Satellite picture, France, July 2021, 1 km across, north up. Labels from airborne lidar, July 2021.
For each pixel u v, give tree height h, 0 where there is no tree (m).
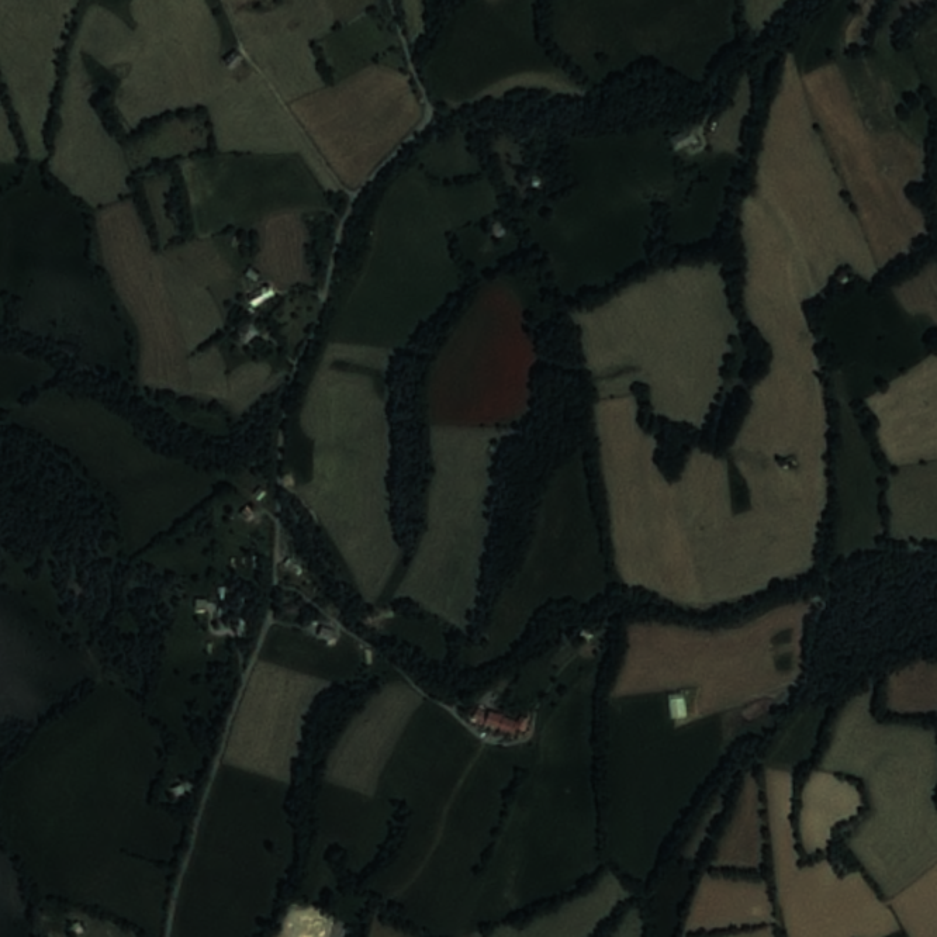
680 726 0
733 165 0
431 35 14
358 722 0
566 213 0
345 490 0
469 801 0
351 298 0
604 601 21
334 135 0
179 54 0
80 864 0
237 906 0
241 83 0
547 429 20
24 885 19
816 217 0
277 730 0
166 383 0
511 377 0
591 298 19
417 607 14
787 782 0
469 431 0
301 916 0
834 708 13
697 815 15
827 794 0
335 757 0
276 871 0
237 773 0
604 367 0
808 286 0
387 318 0
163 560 0
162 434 16
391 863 14
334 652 0
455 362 0
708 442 25
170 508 0
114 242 0
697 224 0
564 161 16
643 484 0
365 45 0
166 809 13
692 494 0
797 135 0
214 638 0
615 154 0
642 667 0
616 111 22
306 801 22
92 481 10
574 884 0
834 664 12
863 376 0
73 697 9
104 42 0
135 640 18
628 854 0
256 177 0
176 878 10
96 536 18
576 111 20
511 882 0
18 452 20
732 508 0
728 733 0
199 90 0
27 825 0
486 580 15
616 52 0
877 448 11
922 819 0
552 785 0
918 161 0
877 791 0
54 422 0
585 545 0
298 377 10
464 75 0
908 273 17
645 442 0
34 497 22
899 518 0
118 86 0
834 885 0
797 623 0
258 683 0
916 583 17
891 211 0
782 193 0
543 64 0
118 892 0
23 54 0
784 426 0
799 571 0
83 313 0
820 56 0
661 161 0
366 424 0
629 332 0
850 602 19
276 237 0
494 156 16
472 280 7
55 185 17
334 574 17
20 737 19
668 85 23
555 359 17
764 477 0
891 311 0
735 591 0
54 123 17
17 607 0
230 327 7
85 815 0
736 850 0
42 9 0
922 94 13
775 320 0
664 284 0
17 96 0
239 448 18
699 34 0
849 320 0
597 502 18
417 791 0
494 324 0
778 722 12
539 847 0
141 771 0
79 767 0
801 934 0
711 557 0
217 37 0
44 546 17
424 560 0
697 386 0
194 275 0
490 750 0
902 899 0
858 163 0
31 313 0
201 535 13
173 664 0
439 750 0
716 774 14
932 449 0
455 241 17
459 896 0
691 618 17
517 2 0
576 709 0
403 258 0
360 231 12
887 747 0
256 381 0
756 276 0
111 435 0
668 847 20
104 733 0
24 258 0
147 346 0
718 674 0
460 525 0
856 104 0
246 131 0
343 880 18
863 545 0
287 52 0
